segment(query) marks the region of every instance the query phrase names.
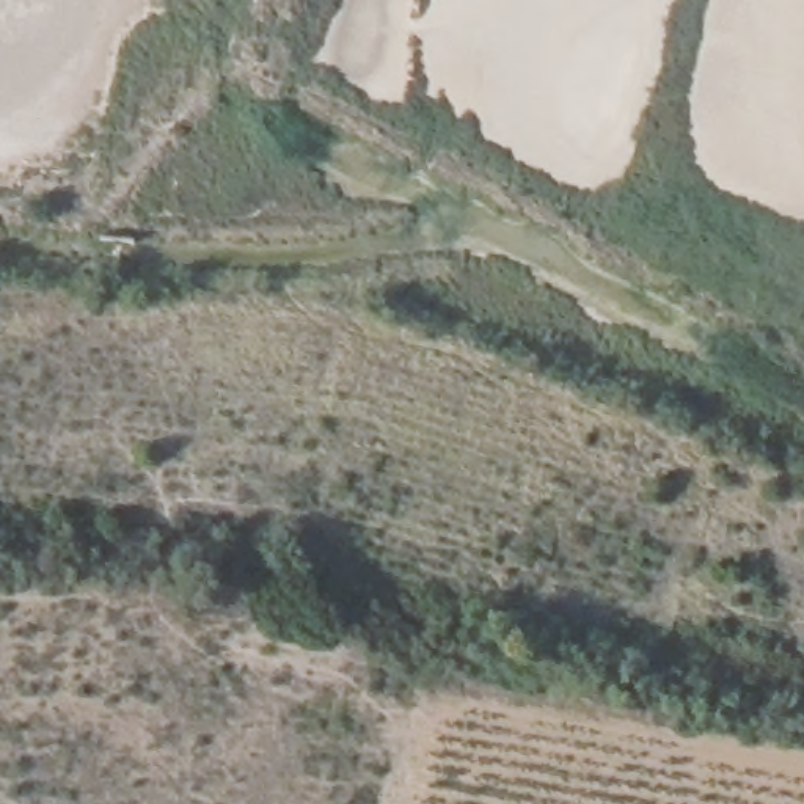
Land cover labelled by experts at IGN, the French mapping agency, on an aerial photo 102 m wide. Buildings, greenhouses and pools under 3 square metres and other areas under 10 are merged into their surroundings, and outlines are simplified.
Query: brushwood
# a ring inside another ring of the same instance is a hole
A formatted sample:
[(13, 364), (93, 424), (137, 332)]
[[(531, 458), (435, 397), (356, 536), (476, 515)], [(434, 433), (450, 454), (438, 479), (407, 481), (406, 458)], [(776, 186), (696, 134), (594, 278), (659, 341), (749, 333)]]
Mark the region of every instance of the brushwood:
[(672, 273), (678, 280), (682, 295), (716, 292), (729, 311), (754, 314), (754, 323), (747, 323), (744, 330), (725, 327), (710, 333), (707, 352), (719, 364), (719, 380), (710, 389), (732, 399), (747, 415), (769, 415), (779, 424), (788, 424), (795, 433), (804, 433), (804, 220), (782, 217), (757, 201), (716, 188), (694, 157), (691, 79), (704, 41), (704, 16), (710, 0), (672, 0), (666, 16), (663, 66), (650, 88), (650, 101), (634, 126), (631, 163), (625, 166), (622, 179), (590, 188), (594, 198), (584, 204), (584, 210), (578, 210), (568, 220), (578, 232), (587, 236), (587, 242), (594, 236), (603, 236), (609, 245), (641, 254), (653, 270)]

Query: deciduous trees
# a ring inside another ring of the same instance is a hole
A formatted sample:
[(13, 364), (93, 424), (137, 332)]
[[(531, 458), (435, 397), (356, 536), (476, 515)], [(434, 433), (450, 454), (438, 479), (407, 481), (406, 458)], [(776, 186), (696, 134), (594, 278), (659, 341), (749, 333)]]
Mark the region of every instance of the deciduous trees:
[(779, 424), (769, 415), (747, 415), (732, 399), (710, 389), (691, 386), (688, 380), (678, 380), (669, 371), (625, 367), (616, 355), (594, 352), (587, 339), (562, 327), (553, 333), (553, 342), (540, 342), (537, 336), (512, 330), (503, 320), (481, 320), (471, 333), (471, 342), (484, 352), (503, 355), (512, 364), (515, 358), (534, 355), (537, 374), (572, 386), (578, 396), (619, 411), (653, 418), (666, 430), (697, 437), (713, 455), (713, 474), (729, 487), (747, 487), (751, 468), (769, 465), (776, 468), (776, 481), (769, 481), (763, 493), (782, 503), (804, 499), (804, 433), (795, 433), (788, 424)]
[(0, 239), (0, 286), (22, 283), (44, 292), (63, 289), (72, 298), (85, 302), (94, 314), (110, 311), (110, 305), (129, 283), (141, 286), (144, 302), (151, 308), (176, 305), (195, 295), (236, 305), (242, 295), (264, 292), (273, 295), (280, 305), (323, 302), (333, 308), (371, 311), (386, 323), (421, 330), (427, 339), (452, 336), (455, 323), (462, 320), (462, 308), (440, 302), (424, 283), (374, 286), (374, 267), (361, 267), (358, 273), (317, 273), (302, 270), (302, 264), (261, 264), (258, 273), (251, 273), (226, 270), (217, 254), (185, 264), (166, 258), (157, 248), (132, 248), (129, 254), (110, 258), (97, 270), (91, 270), (79, 251), (41, 251), (28, 242)]
[(521, 584), (509, 590), (455, 590), (443, 578), (430, 578), (427, 584), (399, 584), (393, 575), (380, 568), (380, 562), (367, 559), (355, 546), (349, 521), (342, 521), (339, 515), (292, 518), (280, 512), (254, 512), (239, 518), (232, 512), (179, 509), (173, 518), (163, 518), (151, 506), (97, 506), (91, 499), (38, 496), (28, 506), (0, 503), (0, 590), (66, 594), (79, 590), (82, 584), (104, 584), (107, 590), (163, 590), (182, 597), (185, 631), (195, 622), (204, 622), (207, 616), (226, 612), (239, 603), (267, 638), (280, 638), (308, 650), (364, 644), (371, 691), (393, 697), (399, 707), (411, 707), (415, 704), (415, 691), (462, 694), (471, 682), (537, 700), (553, 688), (556, 666), (562, 663), (572, 669), (578, 685), (587, 675), (600, 672), (600, 694), (606, 694), (609, 688), (622, 691), (628, 697), (628, 710), (638, 710), (634, 716), (641, 722), (691, 735), (732, 735), (741, 744), (776, 744), (804, 751), (804, 634), (791, 638), (785, 631), (754, 625), (747, 638), (738, 638), (741, 619), (735, 616), (707, 622), (675, 619), (672, 625), (656, 625), (616, 603), (600, 603), (581, 590), (543, 597)]

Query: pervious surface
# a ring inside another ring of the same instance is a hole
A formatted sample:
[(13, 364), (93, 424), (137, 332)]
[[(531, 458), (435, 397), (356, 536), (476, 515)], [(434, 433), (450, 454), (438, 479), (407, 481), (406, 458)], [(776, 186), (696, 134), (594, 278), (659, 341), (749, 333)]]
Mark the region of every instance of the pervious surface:
[(550, 173), (556, 182), (590, 188), (622, 179), (625, 166), (631, 163), (634, 126), (650, 101), (650, 88), (663, 66), (666, 16), (672, 0), (342, 0), (339, 13), (327, 28), (323, 47), (317, 50), (317, 63), (342, 69), (345, 79), (364, 88), (374, 101), (402, 101), (411, 72), (408, 38), (421, 38), (430, 97), (446, 97), (459, 116), (474, 113), (481, 119), (484, 138), (509, 148), (515, 160)]
[(710, 0), (704, 16), (704, 41), (691, 79), (694, 157), (716, 188), (757, 201), (782, 217), (804, 220), (804, 0)]
[(31, 154), (63, 157), (63, 138), (72, 129), (79, 129), (88, 116), (91, 94), (113, 88), (119, 47), (138, 22), (151, 16), (151, 0), (0, 0), (0, 185), (19, 182)]

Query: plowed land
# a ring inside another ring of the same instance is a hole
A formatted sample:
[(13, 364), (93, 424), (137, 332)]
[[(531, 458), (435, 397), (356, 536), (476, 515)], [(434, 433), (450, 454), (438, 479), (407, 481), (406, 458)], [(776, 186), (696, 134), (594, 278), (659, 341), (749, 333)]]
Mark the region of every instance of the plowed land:
[(788, 782), (779, 782), (776, 776), (747, 776), (747, 782), (804, 791), (804, 751), (776, 744), (741, 744), (732, 735), (691, 735), (685, 754), (691, 757), (691, 776), (729, 779), (729, 773), (719, 773), (716, 763), (760, 766), (791, 773)]
[(383, 779), (377, 804), (421, 804), (437, 779), (433, 751), (459, 751), (459, 744), (440, 741), (443, 729), (421, 704), (415, 704), (411, 707), (411, 716), (405, 722), (383, 725), (393, 769)]

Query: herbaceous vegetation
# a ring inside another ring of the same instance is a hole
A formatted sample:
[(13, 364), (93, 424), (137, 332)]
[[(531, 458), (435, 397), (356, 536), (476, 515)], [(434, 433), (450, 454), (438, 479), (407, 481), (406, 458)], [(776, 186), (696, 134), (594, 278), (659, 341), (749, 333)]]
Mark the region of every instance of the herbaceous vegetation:
[(741, 619), (738, 638), (747, 638), (754, 625), (785, 631), (791, 638), (804, 634), (804, 499), (782, 503), (763, 493), (769, 481), (776, 481), (776, 468), (769, 465), (751, 468), (747, 487), (729, 487), (713, 474), (713, 455), (697, 437), (666, 430), (653, 418), (619, 411), (578, 396), (572, 386), (537, 374), (534, 355), (515, 358), (512, 364), (503, 355), (484, 352), (471, 342), (471, 333), (481, 320), (503, 320), (512, 330), (537, 336), (540, 342), (553, 342), (553, 333), (562, 327), (587, 339), (594, 352), (616, 355), (625, 367), (669, 371), (678, 380), (688, 380), (691, 386), (710, 389), (719, 380), (719, 364), (707, 352), (710, 333), (725, 327), (744, 330), (747, 323), (754, 323), (754, 314), (729, 311), (716, 292), (682, 295), (678, 280), (672, 273), (653, 270), (641, 254), (609, 245), (603, 236), (594, 236), (587, 242), (587, 236), (578, 232), (568, 220), (578, 210), (584, 210), (584, 204), (594, 198), (590, 188), (556, 182), (550, 173), (515, 160), (509, 148), (484, 138), (481, 119), (474, 113), (459, 116), (446, 97), (430, 97), (421, 38), (408, 38), (411, 72), (402, 101), (374, 101), (364, 88), (345, 79), (342, 69), (317, 63), (317, 50), (323, 47), (327, 28), (339, 13), (342, 0), (151, 0), (151, 16), (138, 22), (119, 47), (113, 88), (91, 94), (88, 116), (79, 129), (72, 129), (63, 138), (63, 157), (31, 154), (19, 182), (0, 185), (0, 239), (28, 242), (41, 251), (79, 251), (91, 270), (97, 270), (110, 258), (129, 254), (132, 248), (157, 248), (166, 258), (185, 264), (217, 254), (226, 270), (251, 273), (258, 273), (261, 264), (302, 264), (302, 270), (317, 273), (358, 273), (361, 267), (374, 267), (374, 286), (424, 283), (440, 302), (462, 308), (462, 320), (455, 323), (452, 336), (427, 339), (421, 330), (386, 323), (371, 311), (333, 308), (323, 302), (280, 305), (273, 295), (264, 292), (242, 295), (236, 305), (195, 295), (176, 305), (151, 308), (144, 302), (141, 286), (129, 283), (110, 305), (110, 311), (94, 314), (85, 302), (72, 298), (63, 289), (44, 292), (22, 283), (0, 286), (0, 503), (28, 506), (38, 496), (91, 499), (97, 506), (151, 506), (163, 518), (173, 518), (179, 509), (232, 512), (239, 518), (254, 512), (280, 512), (292, 518), (339, 515), (342, 521), (349, 521), (355, 546), (367, 559), (380, 562), (380, 568), (393, 575), (399, 584), (427, 584), (430, 578), (443, 578), (455, 590), (509, 590), (521, 584), (543, 597), (581, 590), (600, 603), (616, 603), (656, 625), (672, 625), (675, 619), (707, 622), (735, 616)]

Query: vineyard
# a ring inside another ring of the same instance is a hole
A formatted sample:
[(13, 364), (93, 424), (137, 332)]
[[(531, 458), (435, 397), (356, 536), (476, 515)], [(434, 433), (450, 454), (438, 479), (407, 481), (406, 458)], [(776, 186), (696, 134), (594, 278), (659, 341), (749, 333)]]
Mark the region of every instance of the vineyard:
[(691, 776), (691, 757), (685, 754), (691, 735), (641, 722), (634, 716), (638, 710), (628, 710), (628, 697), (622, 691), (609, 688), (606, 694), (600, 694), (600, 672), (587, 675), (578, 685), (572, 669), (562, 663), (556, 666), (553, 688), (537, 700), (471, 682), (462, 694), (415, 691), (415, 704), (421, 704), (443, 729), (440, 741), (459, 744), (459, 751), (433, 751), (437, 779), (421, 804), (804, 804), (804, 791), (747, 782), (747, 776), (776, 776), (779, 782), (788, 782), (791, 773), (760, 766), (716, 763), (719, 773), (729, 773), (729, 779)]
[(411, 716), (411, 707), (399, 707), (393, 697), (371, 691), (364, 644), (308, 650), (280, 638), (267, 638), (239, 603), (226, 612), (207, 616), (204, 622), (195, 622), (185, 631), (182, 597), (163, 590), (107, 590), (104, 584), (82, 584), (79, 590), (66, 594), (0, 590), (0, 804), (377, 804), (383, 779), (393, 769), (383, 725), (405, 722)]

